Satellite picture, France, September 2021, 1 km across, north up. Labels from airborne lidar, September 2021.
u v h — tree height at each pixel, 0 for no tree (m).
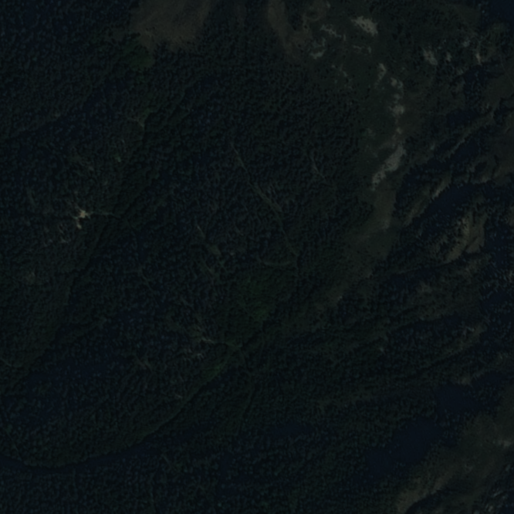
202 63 12
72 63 7
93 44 11
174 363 25
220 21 0
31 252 12
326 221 9
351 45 0
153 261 23
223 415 12
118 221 14
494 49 0
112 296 17
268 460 18
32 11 8
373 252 0
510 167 0
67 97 34
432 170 12
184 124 23
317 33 0
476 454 0
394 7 8
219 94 12
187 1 0
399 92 0
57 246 19
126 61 18
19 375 23
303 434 9
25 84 22
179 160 25
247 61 9
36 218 10
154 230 19
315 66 0
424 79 0
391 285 12
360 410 13
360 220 10
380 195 0
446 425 9
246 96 12
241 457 18
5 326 25
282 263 13
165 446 15
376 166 0
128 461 19
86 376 19
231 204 21
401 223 8
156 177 22
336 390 9
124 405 13
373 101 0
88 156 18
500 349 6
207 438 11
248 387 19
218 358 14
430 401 6
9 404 24
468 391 9
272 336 8
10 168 24
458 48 10
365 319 7
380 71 0
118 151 14
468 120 7
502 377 7
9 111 20
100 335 18
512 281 12
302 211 21
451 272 10
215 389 12
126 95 9
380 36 0
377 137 0
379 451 10
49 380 22
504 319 6
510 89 0
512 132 0
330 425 8
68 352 14
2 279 19
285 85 8
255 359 11
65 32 21
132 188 24
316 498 13
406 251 6
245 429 10
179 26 0
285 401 8
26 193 21
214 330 25
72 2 30
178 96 15
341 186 8
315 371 10
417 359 14
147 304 23
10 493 26
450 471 0
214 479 13
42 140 23
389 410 9
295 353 14
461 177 14
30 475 19
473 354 8
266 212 11
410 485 8
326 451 20
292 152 15
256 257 17
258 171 26
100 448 27
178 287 23
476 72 12
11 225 7
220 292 12
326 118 14
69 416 25
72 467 15
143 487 20
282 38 0
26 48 12
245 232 28
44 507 29
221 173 11
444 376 7
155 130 28
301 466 12
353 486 12
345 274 6
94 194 23
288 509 15
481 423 0
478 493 0
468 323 8
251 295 14
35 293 16
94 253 16
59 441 21
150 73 14
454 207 8
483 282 13
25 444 19
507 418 0
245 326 12
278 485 14
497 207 13
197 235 26
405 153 0
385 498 8
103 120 31
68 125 19
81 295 27
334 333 10
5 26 19
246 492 14
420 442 17
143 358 25
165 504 13
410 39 12
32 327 21
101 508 15
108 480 28
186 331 32
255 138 11
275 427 10
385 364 21
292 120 9
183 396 24
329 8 0
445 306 7
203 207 26
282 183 28
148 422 14
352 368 10
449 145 8
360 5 0
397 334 10
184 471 18
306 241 12
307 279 8
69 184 15
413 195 14
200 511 15
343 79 0
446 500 0
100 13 15
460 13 0
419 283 8
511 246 9
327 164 17
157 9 0
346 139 13
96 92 16
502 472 0
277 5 0
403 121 0
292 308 15
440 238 13
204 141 21
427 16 9
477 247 0
